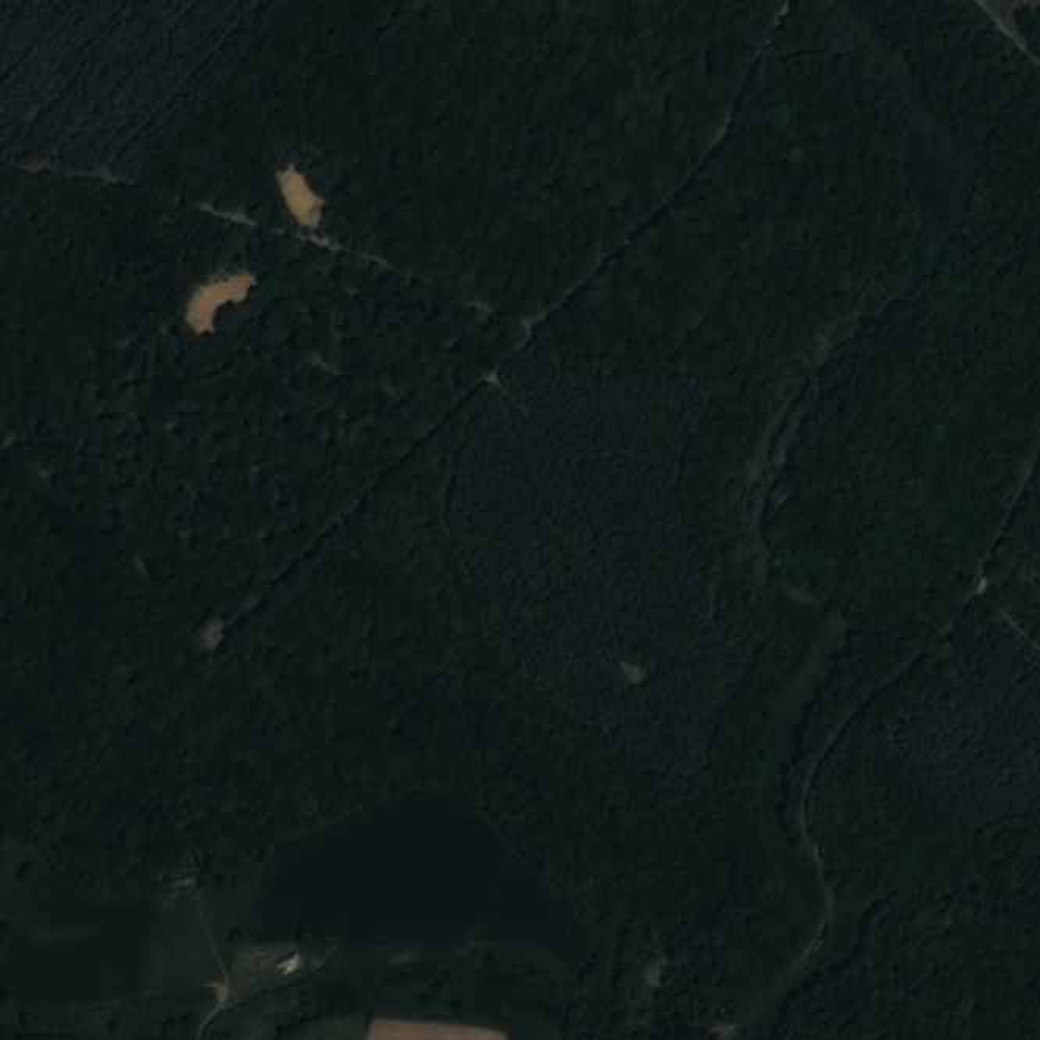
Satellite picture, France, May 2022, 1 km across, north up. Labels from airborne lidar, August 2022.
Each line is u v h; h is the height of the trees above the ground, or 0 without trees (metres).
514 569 13
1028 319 16
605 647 13
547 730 19
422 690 18
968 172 18
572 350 22
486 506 16
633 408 19
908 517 20
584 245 18
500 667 17
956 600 15
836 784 12
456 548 14
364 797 16
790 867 0
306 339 25
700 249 19
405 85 20
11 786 23
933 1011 18
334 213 20
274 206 16
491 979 0
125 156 17
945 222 17
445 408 17
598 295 25
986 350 18
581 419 16
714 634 16
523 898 0
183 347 23
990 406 17
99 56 16
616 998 7
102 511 20
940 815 11
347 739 22
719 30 18
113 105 16
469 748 19
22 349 18
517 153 20
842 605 18
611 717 14
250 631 22
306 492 23
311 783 19
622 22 19
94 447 22
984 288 18
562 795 17
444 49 21
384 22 19
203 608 20
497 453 16
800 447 13
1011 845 17
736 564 17
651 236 25
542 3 22
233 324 26
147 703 18
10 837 19
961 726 10
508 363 8
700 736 16
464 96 21
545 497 14
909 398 14
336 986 0
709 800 17
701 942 15
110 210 20
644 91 25
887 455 14
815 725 15
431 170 18
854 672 19
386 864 0
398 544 20
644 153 20
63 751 20
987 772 13
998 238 16
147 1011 0
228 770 20
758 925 19
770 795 0
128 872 18
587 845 21
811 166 20
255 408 21
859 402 16
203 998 0
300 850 0
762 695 14
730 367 16
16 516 22
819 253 17
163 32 17
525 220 18
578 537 12
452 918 0
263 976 0
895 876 16
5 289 18
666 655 14
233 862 12
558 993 7
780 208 19
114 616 20
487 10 24
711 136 21
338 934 0
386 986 0
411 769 18
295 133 16
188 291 17
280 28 17
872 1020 16
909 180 14
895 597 17
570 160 24
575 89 23
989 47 21
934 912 16
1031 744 13
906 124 18
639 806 19
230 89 16
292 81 19
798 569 16
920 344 15
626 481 16
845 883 15
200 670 22
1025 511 15
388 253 23
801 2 16
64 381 22
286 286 27
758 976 18
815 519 12
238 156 21
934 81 15
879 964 15
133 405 25
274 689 20
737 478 21
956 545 17
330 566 19
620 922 16
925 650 16
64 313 19
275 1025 0
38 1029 0
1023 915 15
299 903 0
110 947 0
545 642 11
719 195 22
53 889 0
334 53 20
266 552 20
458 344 18
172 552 20
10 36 16
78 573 21
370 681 18
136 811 22
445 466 20
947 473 18
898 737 12
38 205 17
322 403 27
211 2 17
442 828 0
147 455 25
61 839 14
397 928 0
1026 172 20
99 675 19
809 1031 19
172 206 18
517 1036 0
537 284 18
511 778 19
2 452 18
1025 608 14
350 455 19
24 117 15
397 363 19
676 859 19
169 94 15
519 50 18
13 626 23
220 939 0
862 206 22
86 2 16
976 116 19
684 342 18
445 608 18
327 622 22
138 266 17
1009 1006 16
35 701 22
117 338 22
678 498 11
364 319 23
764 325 20
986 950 12
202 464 24
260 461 23
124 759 20
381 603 20
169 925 0
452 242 19
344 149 23
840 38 19
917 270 16
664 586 16
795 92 19
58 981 0
